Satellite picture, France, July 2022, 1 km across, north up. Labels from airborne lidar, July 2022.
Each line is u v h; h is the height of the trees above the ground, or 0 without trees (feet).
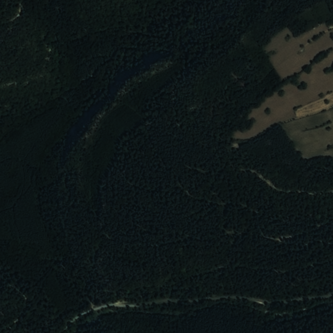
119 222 98
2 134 48
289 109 0
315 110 0
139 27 79
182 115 50
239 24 21
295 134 0
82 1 54
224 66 64
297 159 69
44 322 131
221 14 66
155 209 106
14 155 62
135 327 47
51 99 32
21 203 71
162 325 90
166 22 126
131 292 65
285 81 62
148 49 68
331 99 0
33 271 58
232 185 89
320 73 0
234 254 106
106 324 53
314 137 0
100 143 23
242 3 67
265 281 101
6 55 78
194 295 90
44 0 105
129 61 62
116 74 69
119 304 0
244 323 70
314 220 74
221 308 49
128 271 115
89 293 113
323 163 57
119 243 87
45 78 42
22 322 114
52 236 39
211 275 95
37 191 46
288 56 0
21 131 58
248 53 20
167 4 75
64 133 53
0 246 40
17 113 77
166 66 26
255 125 0
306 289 98
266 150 53
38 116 51
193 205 90
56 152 66
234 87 54
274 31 73
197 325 76
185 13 80
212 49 78
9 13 68
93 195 23
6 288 90
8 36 64
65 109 42
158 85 21
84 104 85
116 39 91
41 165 54
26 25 44
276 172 72
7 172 56
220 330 74
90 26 79
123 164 70
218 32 74
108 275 94
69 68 65
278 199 65
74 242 89
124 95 22
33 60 72
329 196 63
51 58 47
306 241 93
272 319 27
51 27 94
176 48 117
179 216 110
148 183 107
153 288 79
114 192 100
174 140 99
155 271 88
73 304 51
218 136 27
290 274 106
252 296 73
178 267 117
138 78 29
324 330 81
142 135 66
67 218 68
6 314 88
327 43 0
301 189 80
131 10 73
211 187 49
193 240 109
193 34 73
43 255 25
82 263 80
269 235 107
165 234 102
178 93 64
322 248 101
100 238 82
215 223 51
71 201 74
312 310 65
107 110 29
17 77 79
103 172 22
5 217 62
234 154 70
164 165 82
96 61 74
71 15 75
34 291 116
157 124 86
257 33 35
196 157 90
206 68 60
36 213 49
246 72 65
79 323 29
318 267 85
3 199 55
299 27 46
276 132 80
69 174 35
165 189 105
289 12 68
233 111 64
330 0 68
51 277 50
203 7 52
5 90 51
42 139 66
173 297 65
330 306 50
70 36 70
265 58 24
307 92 0
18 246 41
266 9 78
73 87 58
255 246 85
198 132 62
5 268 127
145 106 29
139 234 58
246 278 98
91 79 77
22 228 68
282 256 99
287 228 105
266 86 22
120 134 18
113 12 56
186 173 103
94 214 94
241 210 84
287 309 72
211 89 52
